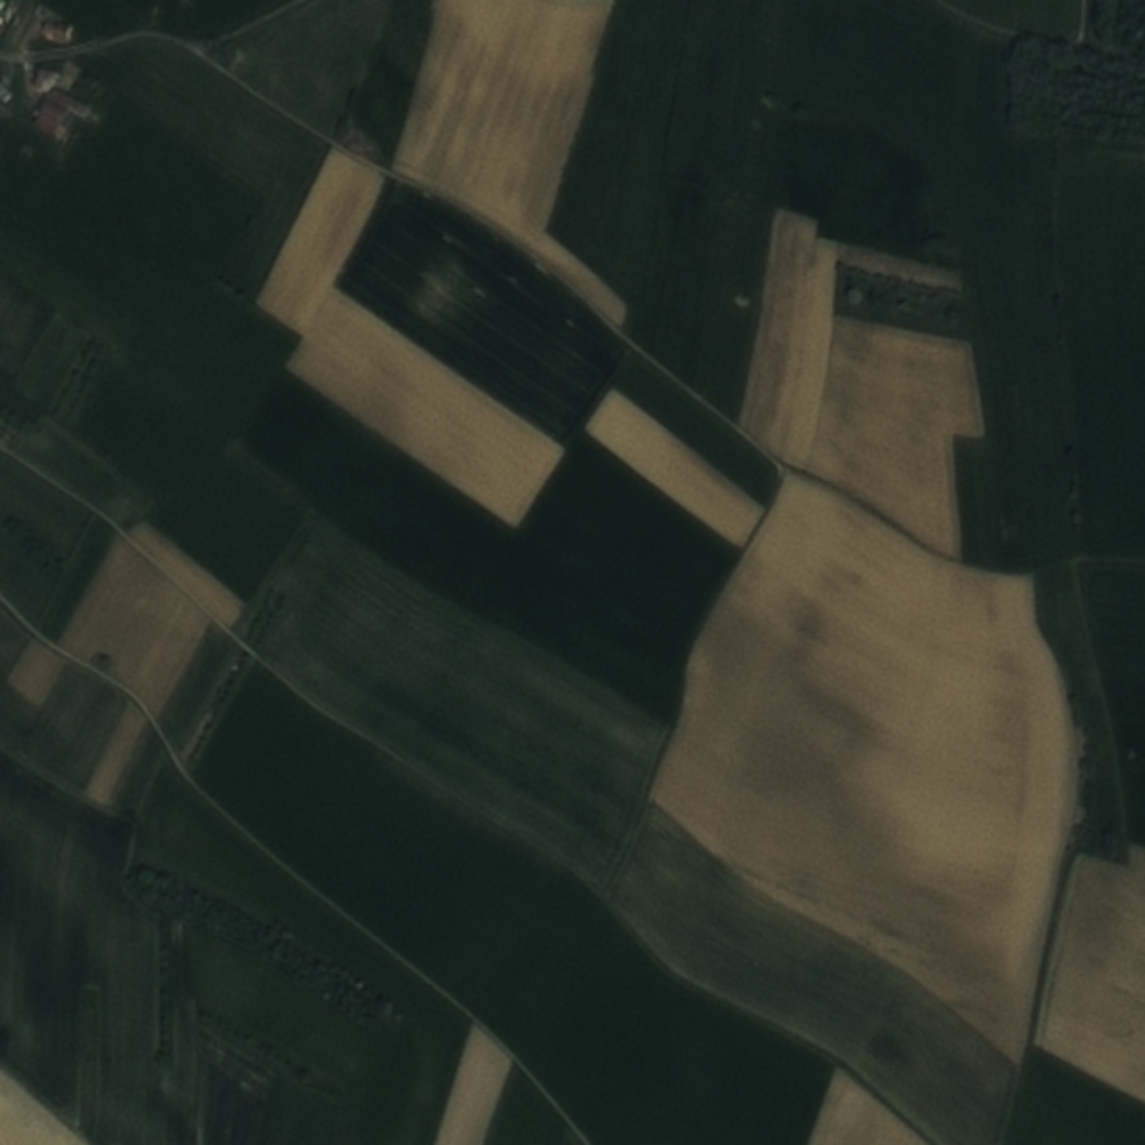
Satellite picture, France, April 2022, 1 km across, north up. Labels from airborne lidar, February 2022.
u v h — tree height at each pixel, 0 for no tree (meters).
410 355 0
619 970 0
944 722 0
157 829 0
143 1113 0
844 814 0
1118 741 0
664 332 0
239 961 0
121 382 0
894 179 0
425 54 0
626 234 0
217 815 0
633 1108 0
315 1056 0
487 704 0
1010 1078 0
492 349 0
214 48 15
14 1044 0
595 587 0
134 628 0
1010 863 0
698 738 0
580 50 0
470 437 0
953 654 0
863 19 0
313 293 0
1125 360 0
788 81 0
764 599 0
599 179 0
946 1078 0
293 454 0
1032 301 0
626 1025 0
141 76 0
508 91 0
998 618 0
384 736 0
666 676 0
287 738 0
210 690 0
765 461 0
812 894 0
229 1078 0
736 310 0
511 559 0
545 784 0
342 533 0
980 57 0
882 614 0
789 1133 0
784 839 0
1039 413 0
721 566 0
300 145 0
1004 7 0
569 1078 0
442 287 0
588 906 0
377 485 0
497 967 0
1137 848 0
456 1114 0
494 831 0
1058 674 0
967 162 0
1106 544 0
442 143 0
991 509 0
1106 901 0
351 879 0
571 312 0
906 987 0
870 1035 0
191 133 0
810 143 0
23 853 0
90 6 0
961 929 0
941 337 0
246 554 0
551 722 0
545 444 0
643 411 0
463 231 0
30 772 0
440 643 0
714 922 0
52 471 0
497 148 0
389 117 0
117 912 0
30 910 0
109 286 0
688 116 0
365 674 0
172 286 0
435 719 0
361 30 0
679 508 0
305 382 0
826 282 0
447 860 0
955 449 0
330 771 0
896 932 0
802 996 0
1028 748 0
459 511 0
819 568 0
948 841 0
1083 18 0
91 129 0
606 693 0
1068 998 0
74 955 0
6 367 0
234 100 0
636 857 0
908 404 0
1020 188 0
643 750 0
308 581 0
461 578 0
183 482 0
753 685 0
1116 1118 0
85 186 0
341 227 0
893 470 0
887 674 0
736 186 0
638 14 0
